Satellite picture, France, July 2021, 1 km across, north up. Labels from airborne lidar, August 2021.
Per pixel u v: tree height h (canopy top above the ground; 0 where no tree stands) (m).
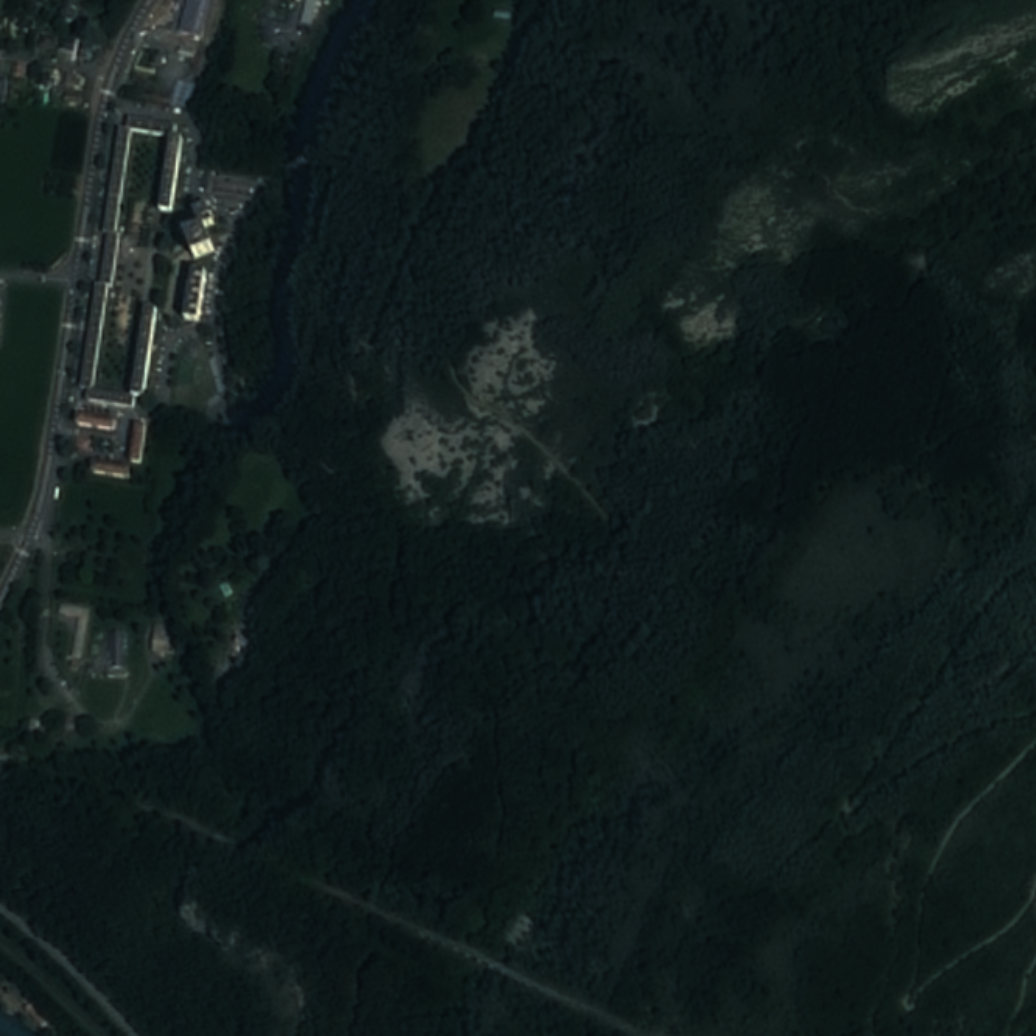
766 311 20
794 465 22
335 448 16
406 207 25
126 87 11
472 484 8
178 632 27
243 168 16
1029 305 10
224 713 22
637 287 19
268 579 9
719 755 9
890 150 6
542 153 24
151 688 0
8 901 24
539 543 19
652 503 23
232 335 18
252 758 26
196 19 0
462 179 20
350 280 18
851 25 10
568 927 8
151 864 24
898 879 6
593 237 18
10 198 0
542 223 19
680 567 23
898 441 18
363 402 6
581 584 30
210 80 13
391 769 9
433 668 11
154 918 17
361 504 23
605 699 18
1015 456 15
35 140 0
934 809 7
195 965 21
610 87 11
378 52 19
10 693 0
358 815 8
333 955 21
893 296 16
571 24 22
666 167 15
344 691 11
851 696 16
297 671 22
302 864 14
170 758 25
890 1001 7
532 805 13
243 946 9
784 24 14
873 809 13
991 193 18
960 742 11
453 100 0
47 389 0
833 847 8
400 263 13
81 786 20
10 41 14
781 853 14
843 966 9
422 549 20
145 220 7
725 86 6
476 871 20
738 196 0
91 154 0
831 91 12
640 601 25
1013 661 11
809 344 14
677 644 14
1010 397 17
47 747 16
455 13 0
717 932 11
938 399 14
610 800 6
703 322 0
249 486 0
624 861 6
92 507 14
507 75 12
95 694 0
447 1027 22
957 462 17
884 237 8
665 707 16
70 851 20
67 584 17
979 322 14
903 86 0
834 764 12
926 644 15
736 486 21
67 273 0
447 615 9
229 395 14
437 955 7
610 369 14
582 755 17
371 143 26
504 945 7
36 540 0
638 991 10
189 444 10
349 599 21
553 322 13
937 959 6
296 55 9
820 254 17
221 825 13
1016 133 16
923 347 19
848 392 21
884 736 13
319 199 8
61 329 0
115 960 20
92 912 21
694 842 7
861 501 0
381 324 19
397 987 27
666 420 20
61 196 9
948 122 16
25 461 0
